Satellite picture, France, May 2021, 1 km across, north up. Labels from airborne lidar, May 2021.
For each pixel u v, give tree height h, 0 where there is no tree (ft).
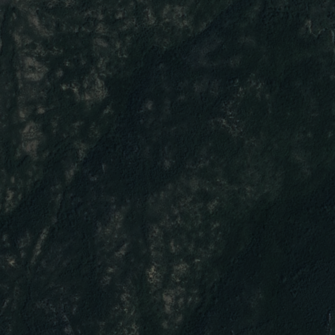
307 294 54
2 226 39
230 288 22
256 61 17
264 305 17
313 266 38
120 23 59
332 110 26
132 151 44
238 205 31
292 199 56
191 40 42
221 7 40
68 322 27
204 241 17
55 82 33
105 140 20
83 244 28
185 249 26
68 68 22
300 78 21
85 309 28
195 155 32
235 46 18
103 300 35
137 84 43
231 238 40
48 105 33
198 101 38
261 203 49
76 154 26
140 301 27
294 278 57
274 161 24
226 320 21
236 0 29
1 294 22
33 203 29
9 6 34
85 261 53
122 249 0
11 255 29
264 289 22
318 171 26
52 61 19
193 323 42
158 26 28
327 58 40
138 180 40
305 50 28
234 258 54
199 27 19
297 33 36
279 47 24
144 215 21
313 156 32
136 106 22
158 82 22
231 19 21
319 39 24
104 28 29
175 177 37
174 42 28
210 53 27
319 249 21
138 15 60
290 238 25
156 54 24
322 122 23
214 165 18
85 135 20
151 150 19
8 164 53
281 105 28
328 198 20
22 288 19
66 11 41
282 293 19
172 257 22
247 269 20
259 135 17
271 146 35
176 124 25
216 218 25
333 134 31
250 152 23
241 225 28
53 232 46
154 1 32
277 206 45
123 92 39
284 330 35
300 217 33
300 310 35
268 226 34
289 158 38
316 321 23
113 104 38
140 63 57
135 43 40
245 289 20
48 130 20
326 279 51
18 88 22
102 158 26
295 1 44
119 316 23
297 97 29
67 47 31
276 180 31
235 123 28
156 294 29
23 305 24
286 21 42
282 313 26
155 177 43
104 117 26
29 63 0
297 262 24
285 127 28
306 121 26
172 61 27
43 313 17
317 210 28
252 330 47
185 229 22
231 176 23
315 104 20
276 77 35
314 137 22
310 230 46
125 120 19
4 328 26
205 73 19
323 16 19
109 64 34
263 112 18
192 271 24
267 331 39
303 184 39
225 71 22
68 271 35
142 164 18
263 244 32
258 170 23
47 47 28
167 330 20
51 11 48
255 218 86
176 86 20
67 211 28
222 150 32
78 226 21
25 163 61
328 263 43
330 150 18
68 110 30
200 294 32
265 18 71
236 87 23
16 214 44
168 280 27
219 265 43
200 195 18
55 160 31
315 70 41
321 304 48
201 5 20
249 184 23
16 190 21
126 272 24
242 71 22
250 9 21
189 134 35
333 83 36
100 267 36
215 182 18
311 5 43
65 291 21
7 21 47
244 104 25
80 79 23
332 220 24
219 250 23
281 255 25
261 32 31
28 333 19
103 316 25
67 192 54
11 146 49
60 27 48
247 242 51
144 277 38
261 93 22
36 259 20
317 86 30
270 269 28
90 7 34
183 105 28
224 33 32
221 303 19
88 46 23
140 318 24
